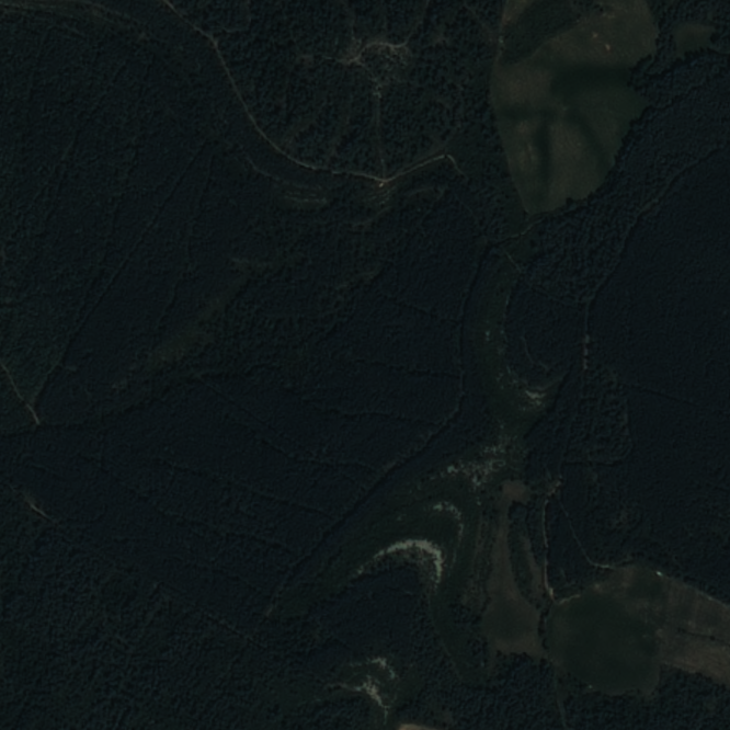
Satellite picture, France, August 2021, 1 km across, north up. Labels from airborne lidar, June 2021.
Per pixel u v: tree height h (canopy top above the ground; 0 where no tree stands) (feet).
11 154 34
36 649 25
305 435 40
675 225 35
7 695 23
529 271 36
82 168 29
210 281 42
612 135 0
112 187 39
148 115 30
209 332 36
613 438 30
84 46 35
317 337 35
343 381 34
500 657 30
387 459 38
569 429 35
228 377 39
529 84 0
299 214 26
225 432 39
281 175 34
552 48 0
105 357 39
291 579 37
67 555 49
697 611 0
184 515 30
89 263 36
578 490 41
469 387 38
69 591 29
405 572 37
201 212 27
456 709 44
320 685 22
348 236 35
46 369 33
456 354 34
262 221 22
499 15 34
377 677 0
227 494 26
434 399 44
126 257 27
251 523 28
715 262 36
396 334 31
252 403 33
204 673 38
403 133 39
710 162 42
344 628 38
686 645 0
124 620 29
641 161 49
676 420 39
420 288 43
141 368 24
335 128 51
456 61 48
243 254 35
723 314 35
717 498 31
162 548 33
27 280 30
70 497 29
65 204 33
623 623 0
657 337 38
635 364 39
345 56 0
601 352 34
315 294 31
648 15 0
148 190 33
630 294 35
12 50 32
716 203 45
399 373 36
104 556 32
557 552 43
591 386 29
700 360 39
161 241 29
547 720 32
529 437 44
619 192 52
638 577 0
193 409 37
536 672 55
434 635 32
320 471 32
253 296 39
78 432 42
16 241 34
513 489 0
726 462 31
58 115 28
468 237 33
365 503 43
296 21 42
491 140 29
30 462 30
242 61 27
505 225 32
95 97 36
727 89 52
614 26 0
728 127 56
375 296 36
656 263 37
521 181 0
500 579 0
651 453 35
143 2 32
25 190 35
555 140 0
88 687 33
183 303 32
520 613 0
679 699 25
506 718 49
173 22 26
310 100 51
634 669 0
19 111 40
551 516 32
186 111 33
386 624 29
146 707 20
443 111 56
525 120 0
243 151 24
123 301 41
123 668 33
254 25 43
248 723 26
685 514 40
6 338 29
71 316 42
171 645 28
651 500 40
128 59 25
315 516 38
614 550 34
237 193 34
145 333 32
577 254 39
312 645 26
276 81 56
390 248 26
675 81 63
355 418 30
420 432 35
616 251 42
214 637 26
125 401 47
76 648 39
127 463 40
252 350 36
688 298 32
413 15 52
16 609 53
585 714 28
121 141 35
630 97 0
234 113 35
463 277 38
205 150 41
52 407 36
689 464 34
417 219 39
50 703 28
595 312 41
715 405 38
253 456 40
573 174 0
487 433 26
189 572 37
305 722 31
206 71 27
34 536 23
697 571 40
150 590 36
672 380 35
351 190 28
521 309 35
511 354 31
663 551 26
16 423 36
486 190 30
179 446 31
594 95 0
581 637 0
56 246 40
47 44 28
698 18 45
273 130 33
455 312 32
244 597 36
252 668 36
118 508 42
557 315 23
